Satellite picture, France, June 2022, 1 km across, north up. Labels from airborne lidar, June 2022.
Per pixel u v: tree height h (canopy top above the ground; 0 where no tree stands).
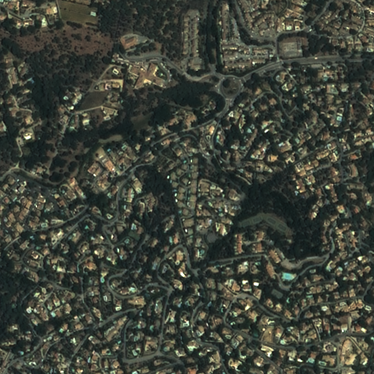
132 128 7
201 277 6
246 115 11
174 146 8
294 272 9
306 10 11
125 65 7
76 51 6
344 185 10
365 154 10
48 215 9
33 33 12
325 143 12
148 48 10
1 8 7
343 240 10
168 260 8
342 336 0
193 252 7
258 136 9
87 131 9
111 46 0
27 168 11
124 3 10
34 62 8
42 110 11
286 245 12
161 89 8
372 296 12
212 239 0
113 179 11
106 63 8
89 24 7
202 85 10
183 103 15
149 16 8
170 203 13
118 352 9
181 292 16
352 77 10
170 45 9
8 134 8
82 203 7
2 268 10
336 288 7
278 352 14
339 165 9
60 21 7
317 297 10
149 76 0
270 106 6
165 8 12
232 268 11
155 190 8
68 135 14
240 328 12
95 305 10
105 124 8
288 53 0
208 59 9
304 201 9
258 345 10
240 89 0
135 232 6
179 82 6
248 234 7
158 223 7
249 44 12
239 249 0
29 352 9
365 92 10
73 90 10
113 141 8
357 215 12
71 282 6
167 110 14
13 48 14
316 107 11
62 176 9
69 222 13
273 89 7
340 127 7
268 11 8
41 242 10
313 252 6
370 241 8
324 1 11
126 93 8
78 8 0
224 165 14
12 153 11
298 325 6
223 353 10
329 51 12
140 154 14
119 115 11
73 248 11
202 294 12
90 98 0
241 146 10
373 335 6
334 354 12
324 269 10
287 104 15
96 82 0
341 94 12
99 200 14
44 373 11
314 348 15
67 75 11
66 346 8
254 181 16
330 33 10
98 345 10
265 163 6
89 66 11
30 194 12
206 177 7
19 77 7
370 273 11
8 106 12
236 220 11
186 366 9
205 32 10
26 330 8
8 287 12
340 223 11
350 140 10
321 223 11
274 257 0
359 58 0
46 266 9
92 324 10
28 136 0
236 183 10
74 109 6
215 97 8
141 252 7
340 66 10
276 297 11
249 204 7
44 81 11
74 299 9
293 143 11
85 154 9
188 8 10
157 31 10
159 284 7
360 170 10
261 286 14
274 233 8
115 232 7
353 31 11
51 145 7
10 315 12
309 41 10
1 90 13
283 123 9
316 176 10
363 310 7
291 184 13
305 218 6
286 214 14
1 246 7
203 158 13
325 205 8
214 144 6
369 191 12
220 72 8
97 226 7
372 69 10
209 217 6
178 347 5
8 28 15
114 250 6
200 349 6
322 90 8
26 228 0
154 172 7
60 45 7
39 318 8
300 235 10
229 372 12
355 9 0
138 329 7
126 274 12
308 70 11
